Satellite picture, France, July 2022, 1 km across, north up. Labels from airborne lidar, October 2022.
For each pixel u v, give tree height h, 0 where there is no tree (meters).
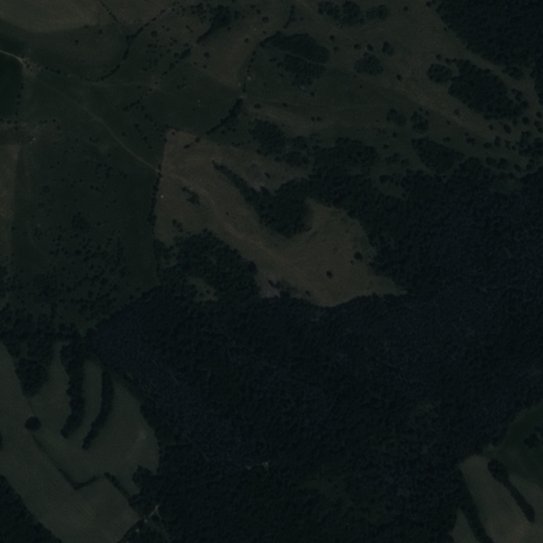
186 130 0
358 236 0
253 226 0
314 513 16
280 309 19
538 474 0
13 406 0
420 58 0
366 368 21
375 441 11
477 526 12
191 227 0
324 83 0
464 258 24
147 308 10
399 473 27
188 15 0
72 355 14
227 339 28
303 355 18
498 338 20
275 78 0
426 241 15
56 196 0
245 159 0
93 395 0
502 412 18
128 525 0
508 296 17
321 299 0
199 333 21
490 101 8
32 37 0
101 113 0
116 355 23
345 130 0
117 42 0
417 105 0
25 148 0
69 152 0
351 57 0
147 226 0
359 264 0
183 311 13
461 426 23
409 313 14
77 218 6
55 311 11
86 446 9
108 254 9
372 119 0
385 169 0
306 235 0
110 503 0
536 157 16
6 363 0
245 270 6
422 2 0
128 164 0
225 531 8
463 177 13
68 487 0
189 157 0
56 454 0
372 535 18
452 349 17
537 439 18
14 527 11
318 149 7
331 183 7
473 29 14
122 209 0
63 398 0
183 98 0
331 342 22
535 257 18
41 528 21
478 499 0
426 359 17
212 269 11
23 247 0
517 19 20
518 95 7
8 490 17
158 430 11
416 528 20
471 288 18
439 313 17
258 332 19
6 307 6
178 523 15
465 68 10
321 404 25
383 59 0
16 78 0
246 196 6
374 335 9
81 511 0
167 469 15
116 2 0
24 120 0
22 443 0
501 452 0
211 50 0
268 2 0
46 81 0
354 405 11
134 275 0
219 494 11
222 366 26
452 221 22
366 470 19
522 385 17
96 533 0
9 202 0
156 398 0
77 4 0
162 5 0
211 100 0
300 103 0
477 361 22
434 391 17
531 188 18
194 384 23
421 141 13
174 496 13
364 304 15
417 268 21
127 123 0
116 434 0
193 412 9
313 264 0
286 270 0
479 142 0
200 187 0
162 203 0
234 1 6
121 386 0
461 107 0
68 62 0
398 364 19
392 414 15
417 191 10
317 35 0
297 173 0
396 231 7
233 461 14
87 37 0
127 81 0
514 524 0
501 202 20
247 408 22
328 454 23
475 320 17
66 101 0
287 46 7
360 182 6
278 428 22
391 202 7
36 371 14
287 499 6
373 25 0
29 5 0
